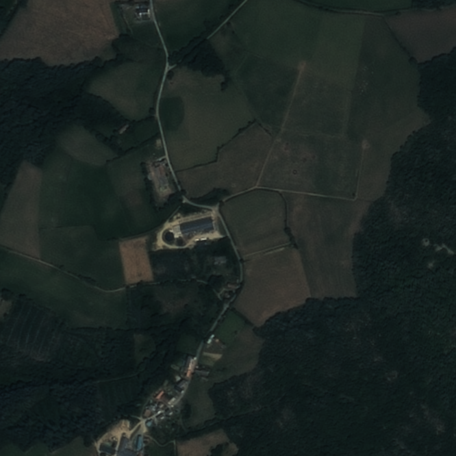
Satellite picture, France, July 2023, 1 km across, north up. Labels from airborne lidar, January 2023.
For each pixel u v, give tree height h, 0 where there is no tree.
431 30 0
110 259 0
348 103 0
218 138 0
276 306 0
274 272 0
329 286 0
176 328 11
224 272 0
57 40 0
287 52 0
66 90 18
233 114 0
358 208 0
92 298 0
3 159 14
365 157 0
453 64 18
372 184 0
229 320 0
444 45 0
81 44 0
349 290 0
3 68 19
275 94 0
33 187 0
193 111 0
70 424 18
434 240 8
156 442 0
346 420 21
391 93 0
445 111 16
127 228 0
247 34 0
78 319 0
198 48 15
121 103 0
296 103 0
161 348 17
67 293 0
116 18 0
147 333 11
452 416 16
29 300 11
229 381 10
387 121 0
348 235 0
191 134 0
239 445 11
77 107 20
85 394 19
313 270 0
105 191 0
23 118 17
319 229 0
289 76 0
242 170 0
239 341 0
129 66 0
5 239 0
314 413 27
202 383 0
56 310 0
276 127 0
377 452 14
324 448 27
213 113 0
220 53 0
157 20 0
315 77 0
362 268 19
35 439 15
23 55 0
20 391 25
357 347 10
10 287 0
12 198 0
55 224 0
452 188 11
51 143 13
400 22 0
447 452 14
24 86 14
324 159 0
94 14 0
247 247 0
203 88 0
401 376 12
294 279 0
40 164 7
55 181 0
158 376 15
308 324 15
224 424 12
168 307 0
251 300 0
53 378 7
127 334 11
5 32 7
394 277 15
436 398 11
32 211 0
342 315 10
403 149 15
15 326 0
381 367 12
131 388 0
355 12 0
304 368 11
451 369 14
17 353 8
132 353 10
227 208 0
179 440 12
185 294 0
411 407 8
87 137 0
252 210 0
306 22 0
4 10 11
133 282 0
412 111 0
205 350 0
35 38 0
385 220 12
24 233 0
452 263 13
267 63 0
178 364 0
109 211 0
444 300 20
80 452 0
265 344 9
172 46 0
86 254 0
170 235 0
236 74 0
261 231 0
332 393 11
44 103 27
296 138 0
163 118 0
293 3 0
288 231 13
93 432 19
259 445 21
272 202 0
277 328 17
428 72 17
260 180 0
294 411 15
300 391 22
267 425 14
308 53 0
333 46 0
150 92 0
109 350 12
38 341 0
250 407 10
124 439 0
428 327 17
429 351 18
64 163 0
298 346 7
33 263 0
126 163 0
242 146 0
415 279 22
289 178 0
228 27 9
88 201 0
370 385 18
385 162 0
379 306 17
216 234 0
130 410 13
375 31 0
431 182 19
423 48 0
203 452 0
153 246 0
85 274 0
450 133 7
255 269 0
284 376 15
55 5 0
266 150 0
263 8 0
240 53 0
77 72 19
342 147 0
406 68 0
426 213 12
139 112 0
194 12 0
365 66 0
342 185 0
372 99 0
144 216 0
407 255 13
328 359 10
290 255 0
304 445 15
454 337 8
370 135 0
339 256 0
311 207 0
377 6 0
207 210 0
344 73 0
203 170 0
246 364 0
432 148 24
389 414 13
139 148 6
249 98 0
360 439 21
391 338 12
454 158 12
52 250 0
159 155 0
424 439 9
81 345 0
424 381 8
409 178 13
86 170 0
